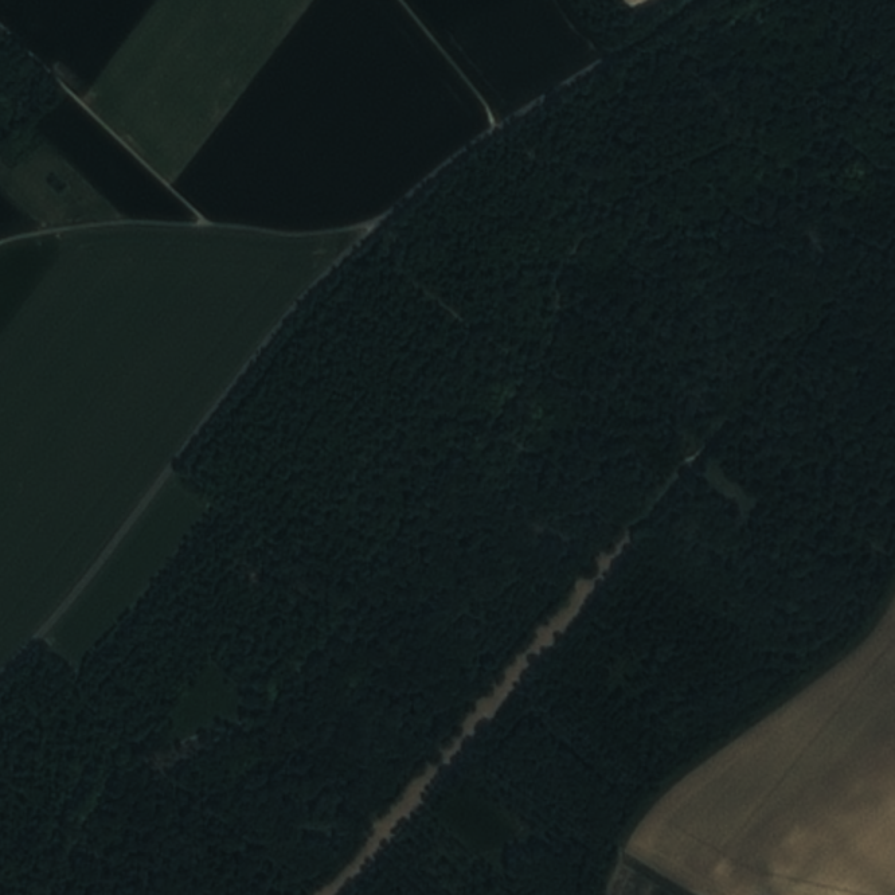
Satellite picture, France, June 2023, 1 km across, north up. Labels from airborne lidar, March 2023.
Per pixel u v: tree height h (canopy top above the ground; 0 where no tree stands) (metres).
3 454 0
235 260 0
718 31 20
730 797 0
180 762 6
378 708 20
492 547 22
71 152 0
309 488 11
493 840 0
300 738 15
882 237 12
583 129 19
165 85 0
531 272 14
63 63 0
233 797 19
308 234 0
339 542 16
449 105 0
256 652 14
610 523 21
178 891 20
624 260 12
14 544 0
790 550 14
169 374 0
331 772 21
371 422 7
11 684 14
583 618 11
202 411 0
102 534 0
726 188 12
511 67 0
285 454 7
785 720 0
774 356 14
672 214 9
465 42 0
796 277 20
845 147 17
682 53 14
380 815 14
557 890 22
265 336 0
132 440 0
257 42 0
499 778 14
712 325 23
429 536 18
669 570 15
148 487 0
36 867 20
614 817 17
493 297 14
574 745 11
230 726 12
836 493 19
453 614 16
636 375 19
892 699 0
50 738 8
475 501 17
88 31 0
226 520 10
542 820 18
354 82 0
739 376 22
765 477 12
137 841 21
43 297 0
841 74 6
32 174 0
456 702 18
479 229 12
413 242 17
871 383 21
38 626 0
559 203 8
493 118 0
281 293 0
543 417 8
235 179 0
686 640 20
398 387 9
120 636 9
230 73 0
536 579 15
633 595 13
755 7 7
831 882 0
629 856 0
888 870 0
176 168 0
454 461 20
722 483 0
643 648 19
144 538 0
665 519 15
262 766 6
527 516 19
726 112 8
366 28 0
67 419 0
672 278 20
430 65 0
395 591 14
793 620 25
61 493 0
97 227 0
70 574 0
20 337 0
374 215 0
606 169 19
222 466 15
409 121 0
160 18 0
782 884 0
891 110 15
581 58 0
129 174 0
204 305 0
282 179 0
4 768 16
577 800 22
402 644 18
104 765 7
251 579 13
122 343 0
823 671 0
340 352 18
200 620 8
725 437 16
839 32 15
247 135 0
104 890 17
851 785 0
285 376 9
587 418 8
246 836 12
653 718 17
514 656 13
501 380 17
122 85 0
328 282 8
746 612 20
